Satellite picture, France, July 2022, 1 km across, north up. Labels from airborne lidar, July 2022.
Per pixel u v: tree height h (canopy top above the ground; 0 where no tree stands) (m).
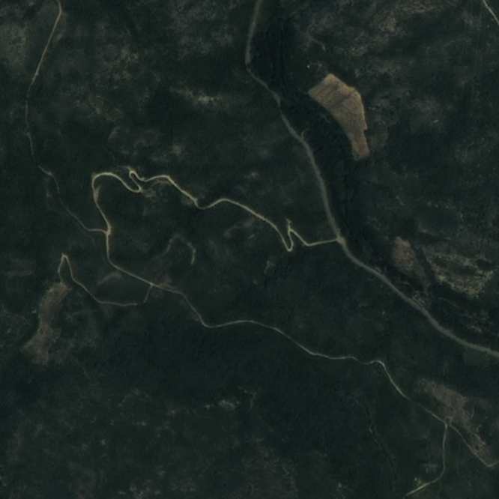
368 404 15
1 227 7
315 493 0
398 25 7
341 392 13
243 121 8
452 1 0
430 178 6
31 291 7
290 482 0
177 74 6
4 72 6
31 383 6
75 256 6
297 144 7
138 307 8
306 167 0
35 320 6
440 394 0
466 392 10
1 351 6
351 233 11
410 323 6
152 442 0
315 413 7
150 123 7
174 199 9
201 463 0
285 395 9
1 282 6
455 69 0
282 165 7
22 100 6
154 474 0
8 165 7
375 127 8
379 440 11
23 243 7
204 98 0
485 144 0
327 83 0
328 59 5
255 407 6
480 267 6
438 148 6
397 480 10
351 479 7
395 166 9
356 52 0
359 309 8
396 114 10
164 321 7
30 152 6
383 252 11
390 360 11
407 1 0
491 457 0
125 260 6
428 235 7
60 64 0
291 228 0
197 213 9
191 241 7
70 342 0
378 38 0
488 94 7
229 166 7
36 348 0
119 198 5
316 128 13
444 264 8
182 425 0
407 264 0
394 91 0
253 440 0
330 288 6
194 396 6
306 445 7
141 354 7
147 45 6
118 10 8
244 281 7
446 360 6
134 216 6
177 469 0
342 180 7
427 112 0
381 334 6
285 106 21
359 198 8
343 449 6
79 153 8
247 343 8
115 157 7
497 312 13
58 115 0
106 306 0
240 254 8
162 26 7
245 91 6
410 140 7
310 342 7
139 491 0
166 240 6
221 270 6
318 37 7
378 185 6
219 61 7
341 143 23
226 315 6
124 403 0
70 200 5
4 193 6
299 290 7
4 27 0
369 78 6
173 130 7
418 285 10
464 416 0
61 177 6
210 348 7
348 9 6
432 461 0
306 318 7
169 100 6
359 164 9
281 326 6
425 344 6
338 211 9
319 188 0
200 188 0
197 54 7
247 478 0
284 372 6
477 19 0
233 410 10
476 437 0
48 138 7
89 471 0
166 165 6
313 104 17
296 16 8
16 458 0
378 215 7
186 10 6
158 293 0
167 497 0
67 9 5
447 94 5
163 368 8
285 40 19
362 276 6
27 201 6
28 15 7
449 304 7
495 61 0
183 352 7
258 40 22
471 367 7
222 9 6
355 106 0
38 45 0
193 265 0
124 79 7
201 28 6
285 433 9
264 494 0
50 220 8
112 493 0
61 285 0
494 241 7
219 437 0
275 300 7
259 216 0
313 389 8
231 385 6
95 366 7
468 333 6
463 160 0
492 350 6
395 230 6
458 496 0
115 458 0
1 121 6
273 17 8
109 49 0
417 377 10
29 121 7
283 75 18
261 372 6
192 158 6
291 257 8
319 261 6
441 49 0
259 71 24
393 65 0
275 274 7
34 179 6
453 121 7
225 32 6
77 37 0
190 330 8
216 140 7
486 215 11
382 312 10
